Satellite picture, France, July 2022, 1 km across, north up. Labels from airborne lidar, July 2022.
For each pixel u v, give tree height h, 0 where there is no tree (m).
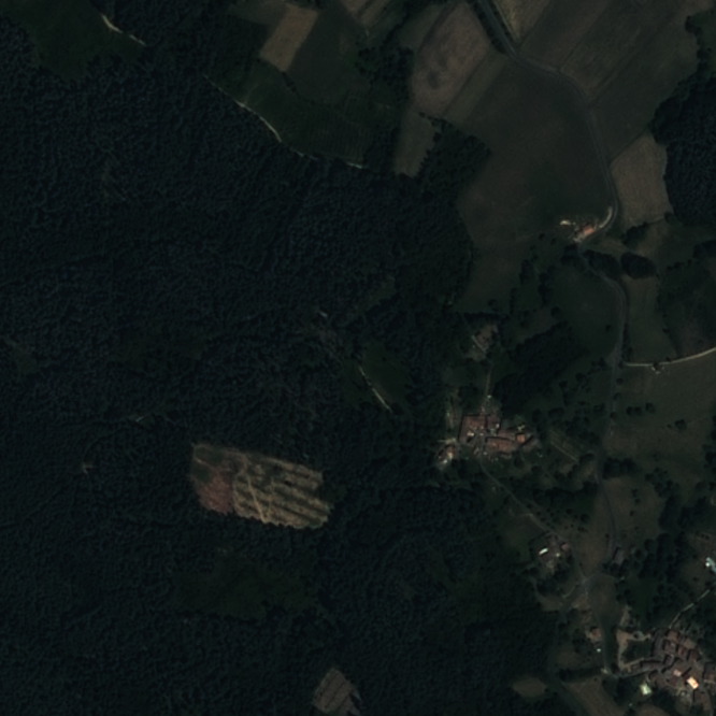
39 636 18
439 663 27
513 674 18
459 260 12
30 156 22
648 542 10
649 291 0
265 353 29
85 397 27
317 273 30
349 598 38
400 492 33
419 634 19
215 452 0
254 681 22
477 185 0
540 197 0
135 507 24
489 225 0
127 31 35
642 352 0
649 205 0
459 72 0
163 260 15
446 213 22
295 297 32
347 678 10
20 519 27
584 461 11
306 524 0
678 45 0
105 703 16
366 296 28
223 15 16
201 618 27
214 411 20
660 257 0
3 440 23
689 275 0
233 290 24
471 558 37
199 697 27
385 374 0
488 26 9
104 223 13
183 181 27
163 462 24
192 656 29
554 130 0
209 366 22
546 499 23
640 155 0
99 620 32
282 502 0
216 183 27
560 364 15
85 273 31
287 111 0
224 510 0
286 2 0
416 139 0
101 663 26
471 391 9
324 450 23
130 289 20
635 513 6
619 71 0
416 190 16
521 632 17
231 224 20
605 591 0
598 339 0
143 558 22
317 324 30
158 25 38
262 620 6
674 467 0
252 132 22
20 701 26
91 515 22
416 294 16
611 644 0
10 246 19
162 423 21
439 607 39
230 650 33
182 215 14
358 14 0
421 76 0
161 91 33
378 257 22
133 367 7
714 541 0
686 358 0
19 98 24
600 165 0
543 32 0
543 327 0
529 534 0
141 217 17
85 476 21
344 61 0
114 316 11
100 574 24
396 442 15
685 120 32
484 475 13
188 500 25
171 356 8
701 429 0
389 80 12
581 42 0
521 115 0
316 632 27
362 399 7
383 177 15
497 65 0
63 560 18
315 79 0
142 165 31
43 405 25
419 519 27
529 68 0
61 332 28
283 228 24
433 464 16
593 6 0
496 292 0
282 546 24
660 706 7
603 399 0
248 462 0
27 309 21
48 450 23
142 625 32
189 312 19
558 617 10
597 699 0
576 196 0
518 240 0
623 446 0
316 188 29
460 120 0
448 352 10
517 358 16
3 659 26
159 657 26
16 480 22
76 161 24
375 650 42
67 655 23
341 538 38
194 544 20
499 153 0
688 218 20
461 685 27
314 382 28
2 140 22
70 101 20
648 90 0
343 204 27
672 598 9
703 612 9
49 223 21
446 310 19
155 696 23
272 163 24
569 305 0
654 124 9
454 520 27
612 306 0
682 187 22
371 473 26
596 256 25
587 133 0
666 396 0
